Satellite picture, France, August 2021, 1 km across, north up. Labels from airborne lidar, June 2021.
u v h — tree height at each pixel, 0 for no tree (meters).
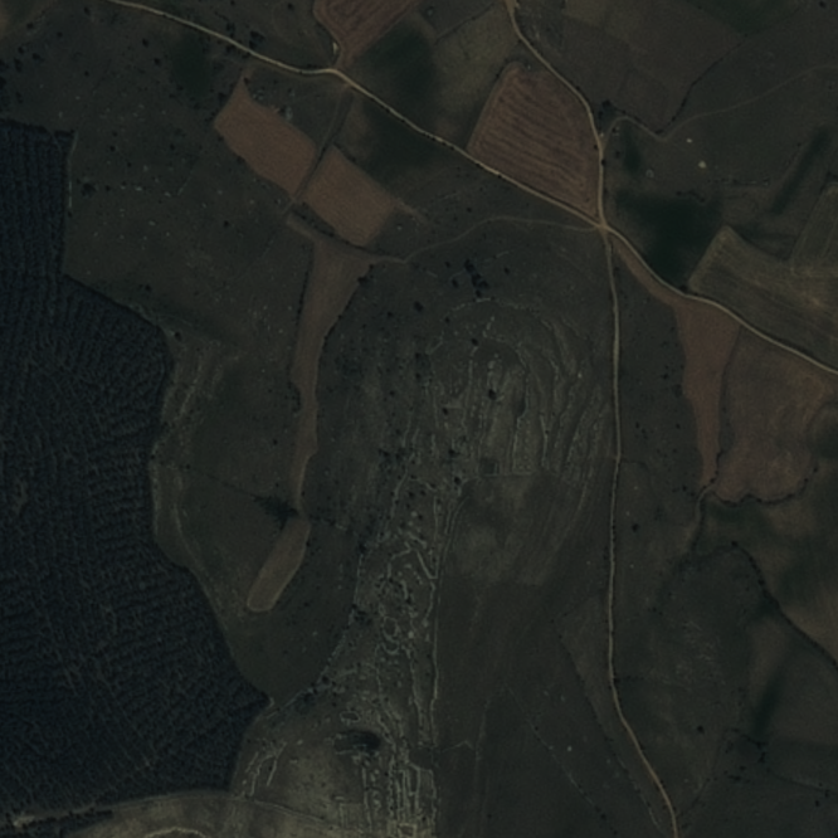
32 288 15
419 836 0
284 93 0
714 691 0
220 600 0
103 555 12
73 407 13
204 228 0
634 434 0
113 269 0
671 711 0
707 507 0
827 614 0
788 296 0
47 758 11
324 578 0
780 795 0
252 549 0
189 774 14
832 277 0
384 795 0
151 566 13
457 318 0
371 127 0
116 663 11
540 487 0
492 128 0
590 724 0
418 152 0
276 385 0
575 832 0
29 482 12
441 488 0
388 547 0
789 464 0
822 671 0
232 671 12
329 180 0
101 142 0
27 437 11
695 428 0
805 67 0
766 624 0
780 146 0
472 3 0
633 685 0
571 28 0
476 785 0
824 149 0
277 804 0
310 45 0
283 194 0
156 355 11
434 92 0
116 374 12
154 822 0
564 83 0
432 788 0
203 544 0
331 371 0
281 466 0
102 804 8
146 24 0
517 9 0
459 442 0
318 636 0
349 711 0
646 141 0
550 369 0
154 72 0
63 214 12
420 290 0
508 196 0
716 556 0
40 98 0
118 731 13
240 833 0
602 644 0
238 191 0
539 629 0
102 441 12
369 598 0
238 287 0
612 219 0
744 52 0
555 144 0
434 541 0
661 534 0
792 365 0
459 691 0
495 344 0
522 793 0
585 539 0
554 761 0
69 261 0
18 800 9
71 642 12
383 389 0
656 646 0
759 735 0
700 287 0
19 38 0
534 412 0
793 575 0
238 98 0
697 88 0
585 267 0
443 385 0
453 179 0
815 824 0
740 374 0
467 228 0
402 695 0
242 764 0
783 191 0
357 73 0
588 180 0
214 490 0
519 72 0
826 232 0
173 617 11
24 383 10
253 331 0
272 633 0
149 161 0
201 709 10
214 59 0
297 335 0
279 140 0
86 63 0
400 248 0
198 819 0
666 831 0
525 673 0
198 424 0
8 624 12
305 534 0
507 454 0
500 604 0
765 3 0
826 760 0
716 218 0
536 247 0
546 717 0
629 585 0
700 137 0
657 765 0
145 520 12
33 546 8
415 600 0
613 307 0
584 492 0
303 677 0
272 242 0
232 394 0
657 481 0
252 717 11
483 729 0
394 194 0
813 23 0
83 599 8
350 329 0
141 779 12
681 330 0
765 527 0
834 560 0
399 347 0
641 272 0
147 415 12
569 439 0
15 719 14
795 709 0
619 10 0
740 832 0
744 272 0
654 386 0
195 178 0
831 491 0
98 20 0
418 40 0
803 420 0
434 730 0
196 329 0
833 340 0
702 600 0
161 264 0
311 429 0
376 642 0
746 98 0
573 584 0
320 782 0
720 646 0
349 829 0
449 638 0
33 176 12
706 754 0
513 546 0
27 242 13
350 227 0
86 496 12
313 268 0
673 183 0
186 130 0
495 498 0
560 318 0
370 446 0
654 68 0
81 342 12
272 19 0
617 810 0
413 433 0
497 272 0
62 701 13
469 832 0
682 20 0
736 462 0
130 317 13
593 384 0
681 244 0
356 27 0
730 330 0
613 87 0
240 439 0
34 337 12
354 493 0
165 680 14
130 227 0
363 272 0
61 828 9
